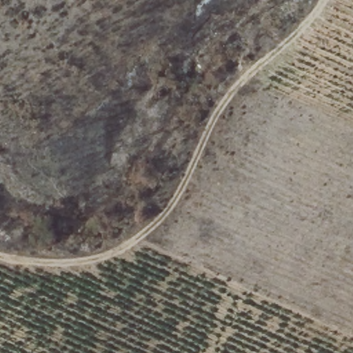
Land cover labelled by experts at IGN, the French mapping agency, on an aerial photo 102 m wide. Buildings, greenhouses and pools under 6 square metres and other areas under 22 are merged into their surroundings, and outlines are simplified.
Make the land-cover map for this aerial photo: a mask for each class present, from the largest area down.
<instances>
[{"label":"bare soil","instance_id":"1","mask_svg":"<svg viewBox=\"0 0 353 353\"><path fill-rule=\"evenodd\" d=\"M319 0H0V252L33 258L68 259L101 254L131 239L167 207L168 201L174 196L207 119L215 108V103L226 94L230 85L239 79L241 74L245 73L248 66L256 59L262 58L266 52L274 50L292 30L298 28L299 23L313 11ZM142 165H145L146 178L156 181L154 188H145L142 183L130 181L131 172H137ZM36 216H50L51 219L48 230L54 239L47 245L46 250L43 247L34 248V245L29 243V233L33 229L29 223Z\"/></svg>","mask_w":353,"mask_h":353},{"label":"agricultural land","instance_id":"2","mask_svg":"<svg viewBox=\"0 0 353 353\"><path fill-rule=\"evenodd\" d=\"M143 247L153 248L160 254L189 263V273L192 276L204 273L208 281L232 277L228 290L234 294L250 292L254 295L255 302L276 303L313 320L316 324L341 332L347 338H353V119L345 117L343 121H331L321 110L310 108V103L296 102L291 98L290 92L281 90L277 85H265L254 77L239 88L228 108L223 110L221 117L216 121L210 141L205 146L203 156L194 171L192 182L189 183L174 211L159 228L154 229L131 250L125 251L120 258L132 262L135 261V252L141 251Z\"/></svg>","mask_w":353,"mask_h":353},{"label":"vineyard","instance_id":"3","mask_svg":"<svg viewBox=\"0 0 353 353\"><path fill-rule=\"evenodd\" d=\"M324 21L314 19L312 23L314 36H310V39H306L303 34L299 36L302 41L312 44V48L309 50L303 47L302 50L287 51L254 77L265 85H277L281 90L290 92L291 98L296 102L310 103V108L321 110L331 121H343L345 117L353 119V0H331L324 8ZM189 263L160 254L153 248L143 247L141 251L135 252V261L132 262L120 258L116 256L98 265L84 266L83 269L79 266H70L63 270L59 266H54L46 270L36 268L34 272H30L25 266H8L6 263H0V353H353V338H347L341 332L316 324L313 320L276 303L255 302L254 295L250 292L234 294L228 290L232 277L208 281L204 273L192 276L189 273Z\"/></svg>","mask_w":353,"mask_h":353},{"label":"pervious surface","instance_id":"4","mask_svg":"<svg viewBox=\"0 0 353 353\"><path fill-rule=\"evenodd\" d=\"M331 0H319L313 11L299 23L298 28L292 30L274 50L266 52L262 58L256 59L248 66L245 73L241 74L239 79L230 85L226 94L215 103V108L207 119L174 196L168 201L167 207L131 239L101 254L68 259L33 258L0 252V263H6L8 266H25L30 272H34L36 268L46 270L54 266H59L63 270L70 266H79L83 269L84 266L98 265L116 256L120 258L125 251L131 250L154 229L159 228L174 211L189 183L192 182L194 171L203 156L205 146L210 141L216 121L221 117L223 110L228 108L239 88L254 77L287 51L302 50L303 47L309 50L312 48V44L302 41L299 36L303 34L306 39H310V36H314L312 23L314 19L324 21V8Z\"/></svg>","mask_w":353,"mask_h":353},{"label":"coniferous trees","instance_id":"5","mask_svg":"<svg viewBox=\"0 0 353 353\"><path fill-rule=\"evenodd\" d=\"M130 181L142 183L145 188H154L156 181L146 178L145 165H142L137 172H131ZM33 229L29 233V243L34 245V248L43 247L46 250L47 245L54 239L48 230L51 219L50 216H36L29 223Z\"/></svg>","mask_w":353,"mask_h":353}]
</instances>
